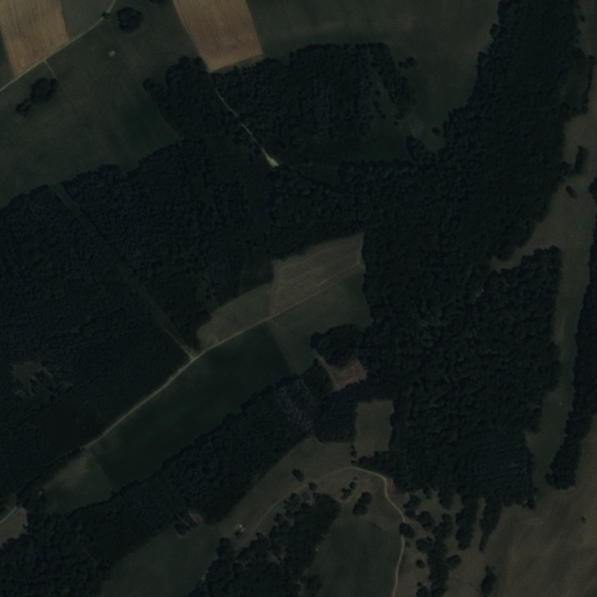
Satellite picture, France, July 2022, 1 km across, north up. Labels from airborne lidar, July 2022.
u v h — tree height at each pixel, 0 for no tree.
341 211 26
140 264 21
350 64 19
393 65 18
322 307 0
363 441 0
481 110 22
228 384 0
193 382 0
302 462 0
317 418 22
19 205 17
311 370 7
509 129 18
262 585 21
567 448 18
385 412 0
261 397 16
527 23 11
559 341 0
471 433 19
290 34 0
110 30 0
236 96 19
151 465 0
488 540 7
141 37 0
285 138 12
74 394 10
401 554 0
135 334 16
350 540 0
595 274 14
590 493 0
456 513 0
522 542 0
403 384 25
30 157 0
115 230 33
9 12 0
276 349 0
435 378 29
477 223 17
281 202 25
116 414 13
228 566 17
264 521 0
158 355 14
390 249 21
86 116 0
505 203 19
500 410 21
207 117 21
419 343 32
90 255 26
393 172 30
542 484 0
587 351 23
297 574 23
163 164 21
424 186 33
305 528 19
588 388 24
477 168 27
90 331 21
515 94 15
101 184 32
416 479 10
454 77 0
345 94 18
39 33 0
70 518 10
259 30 0
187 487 17
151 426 0
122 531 8
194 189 11
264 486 0
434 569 10
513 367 23
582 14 14
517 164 26
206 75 22
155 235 26
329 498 13
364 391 24
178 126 7
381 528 0
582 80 0
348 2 0
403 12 0
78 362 17
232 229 15
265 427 18
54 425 8
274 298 0
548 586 0
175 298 15
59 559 23
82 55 0
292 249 9
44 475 16
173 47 0
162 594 0
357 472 0
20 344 23
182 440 0
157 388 10
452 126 21
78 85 0
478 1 0
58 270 21
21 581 18
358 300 0
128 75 0
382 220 24
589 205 0
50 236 27
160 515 16
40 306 15
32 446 13
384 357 23
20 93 0
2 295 18
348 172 25
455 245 28
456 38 0
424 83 0
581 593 0
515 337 24
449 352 29
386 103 0
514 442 17
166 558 0
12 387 22
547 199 15
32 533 29
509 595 0
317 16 0
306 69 22
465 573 0
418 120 0
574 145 0
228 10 0
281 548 19
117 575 0
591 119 0
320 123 20
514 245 24
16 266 7
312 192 24
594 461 0
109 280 13
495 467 21
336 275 0
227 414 0
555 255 21
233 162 7
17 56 0
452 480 9
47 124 0
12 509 0
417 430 23
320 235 10
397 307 30
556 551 0
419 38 0
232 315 0
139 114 0
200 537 0
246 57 0
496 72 24
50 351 25
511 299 30
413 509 12
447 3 0
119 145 0
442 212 35
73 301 16
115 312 14
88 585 29
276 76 26
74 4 0
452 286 25
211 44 0
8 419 7
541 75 20
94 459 0
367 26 0
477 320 33
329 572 0
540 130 20
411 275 31
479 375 26
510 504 18
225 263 19
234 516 0
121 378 13
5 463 11
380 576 0
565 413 0
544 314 21
